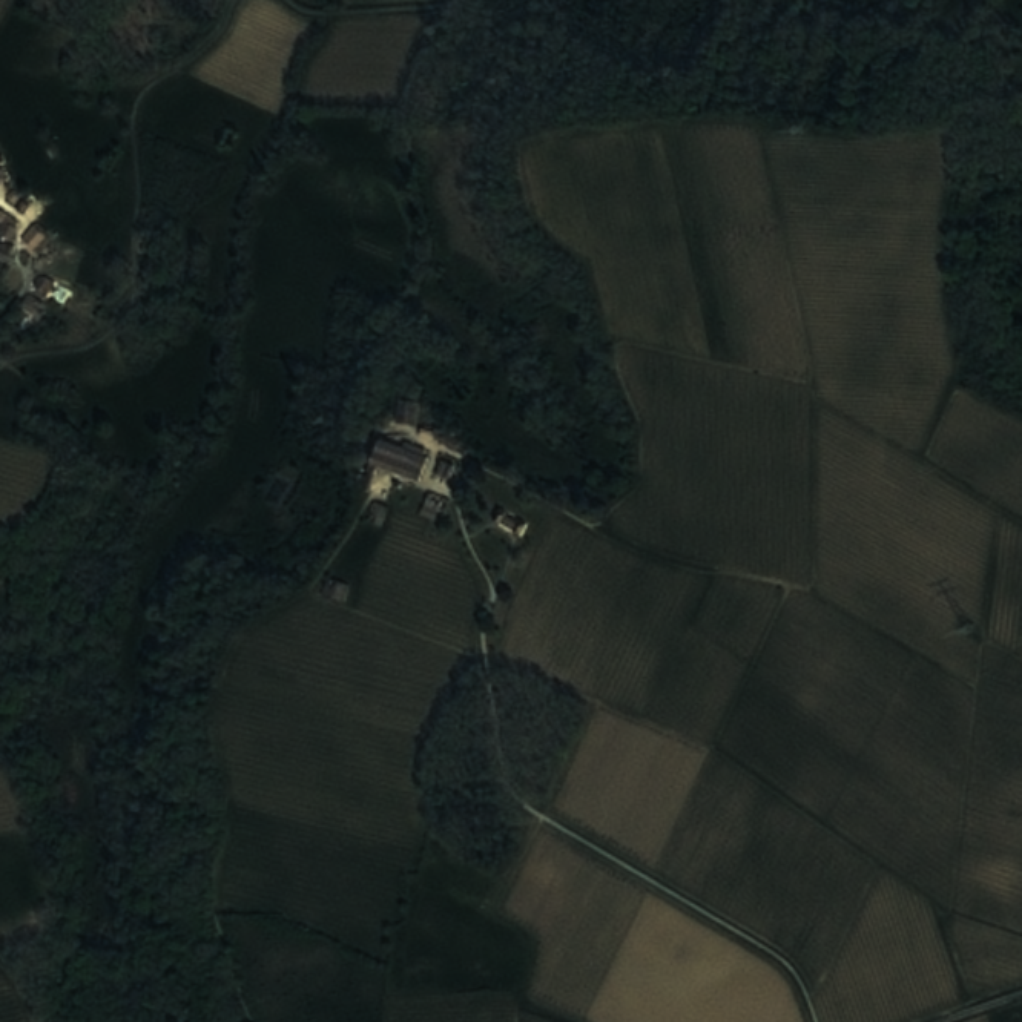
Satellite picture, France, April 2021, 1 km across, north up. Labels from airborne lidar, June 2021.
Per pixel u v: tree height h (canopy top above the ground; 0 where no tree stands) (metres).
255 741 0
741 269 0
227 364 21
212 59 0
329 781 0
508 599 9
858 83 21
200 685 8
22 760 19
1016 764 0
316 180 0
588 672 0
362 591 0
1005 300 17
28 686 24
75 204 0
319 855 0
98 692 24
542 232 12
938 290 0
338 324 16
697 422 0
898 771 0
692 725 0
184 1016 22
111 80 25
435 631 0
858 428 0
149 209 10
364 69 0
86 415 0
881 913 0
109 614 22
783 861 0
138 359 14
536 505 16
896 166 0
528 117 19
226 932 5
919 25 25
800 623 0
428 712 0
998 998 0
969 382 11
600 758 0
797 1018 0
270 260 0
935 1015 0
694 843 0
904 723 0
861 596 0
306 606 0
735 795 0
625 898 0
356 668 0
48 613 24
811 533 0
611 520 0
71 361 0
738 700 0
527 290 8
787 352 0
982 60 15
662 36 8
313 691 0
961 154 22
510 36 16
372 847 0
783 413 0
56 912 14
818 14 13
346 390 15
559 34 24
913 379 0
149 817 25
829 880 0
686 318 0
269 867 0
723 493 0
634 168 0
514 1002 0
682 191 0
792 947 0
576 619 0
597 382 26
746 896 0
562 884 0
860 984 0
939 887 0
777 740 0
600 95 18
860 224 0
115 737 15
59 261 0
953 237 18
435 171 0
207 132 0
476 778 24
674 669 0
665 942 0
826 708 0
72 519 19
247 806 0
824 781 0
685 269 0
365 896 0
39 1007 22
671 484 0
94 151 0
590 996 0
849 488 0
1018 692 0
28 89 0
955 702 0
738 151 0
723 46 19
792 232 0
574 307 21
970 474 0
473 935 0
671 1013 0
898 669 0
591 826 0
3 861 0
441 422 7
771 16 19
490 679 24
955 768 0
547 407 27
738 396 0
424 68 18
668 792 0
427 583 0
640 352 0
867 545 0
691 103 15
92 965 29
